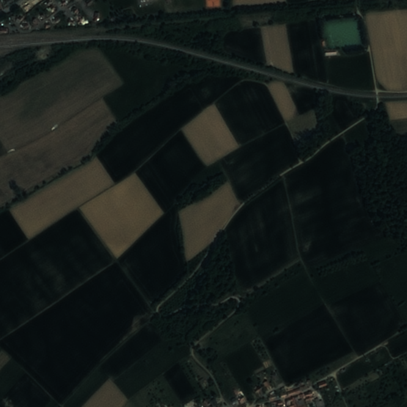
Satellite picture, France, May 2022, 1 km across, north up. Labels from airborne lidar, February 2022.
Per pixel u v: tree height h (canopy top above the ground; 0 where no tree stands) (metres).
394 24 0
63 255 0
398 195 27
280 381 0
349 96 0
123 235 0
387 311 0
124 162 0
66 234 0
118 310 0
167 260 0
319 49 0
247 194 0
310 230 0
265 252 0
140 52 13
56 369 0
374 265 8
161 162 0
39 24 0
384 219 27
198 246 0
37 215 0
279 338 0
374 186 29
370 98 0
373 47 0
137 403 0
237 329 0
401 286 0
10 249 0
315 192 0
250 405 0
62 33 0
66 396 0
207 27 17
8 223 0
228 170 0
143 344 0
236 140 0
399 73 0
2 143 0
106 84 0
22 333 0
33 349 0
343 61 0
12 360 0
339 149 0
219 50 11
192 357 0
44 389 0
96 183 0
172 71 0
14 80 6
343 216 0
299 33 0
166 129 0
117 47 12
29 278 0
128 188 0
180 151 0
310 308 0
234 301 11
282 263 0
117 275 0
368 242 0
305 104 0
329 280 0
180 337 12
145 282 0
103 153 0
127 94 0
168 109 0
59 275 0
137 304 0
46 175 0
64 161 0
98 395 0
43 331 0
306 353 0
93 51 0
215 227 0
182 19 13
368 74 0
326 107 19
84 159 12
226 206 0
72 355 0
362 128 0
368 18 0
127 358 0
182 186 0
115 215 0
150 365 0
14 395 0
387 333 0
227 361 0
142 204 0
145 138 0
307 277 0
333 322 0
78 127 0
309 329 0
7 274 0
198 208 0
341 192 0
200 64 14
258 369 0
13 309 0
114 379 0
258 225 0
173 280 0
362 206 0
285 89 0
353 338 0
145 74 0
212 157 0
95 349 0
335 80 0
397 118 0
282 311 0
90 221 0
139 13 0
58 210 0
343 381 0
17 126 0
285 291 0
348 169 0
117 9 0
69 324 0
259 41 0
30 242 0
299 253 0
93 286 0
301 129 0
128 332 0
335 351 0
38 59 0
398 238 29
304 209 0
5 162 0
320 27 18
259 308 0
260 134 0
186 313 19
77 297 0
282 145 0
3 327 0
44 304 0
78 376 0
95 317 0
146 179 0
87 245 0
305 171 0
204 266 18
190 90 0
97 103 0
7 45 0
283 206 0
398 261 0
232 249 0
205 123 0
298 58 0
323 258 0
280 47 0
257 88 0
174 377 0
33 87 0
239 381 0
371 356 0
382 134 29
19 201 23
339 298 0
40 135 0
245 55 0
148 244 0
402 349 0
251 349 0
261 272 0
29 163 0
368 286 0
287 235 0
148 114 0
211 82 0
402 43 0
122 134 0
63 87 0
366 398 6
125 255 0
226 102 0
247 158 0
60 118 0
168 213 0
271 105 0
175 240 0
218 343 0
